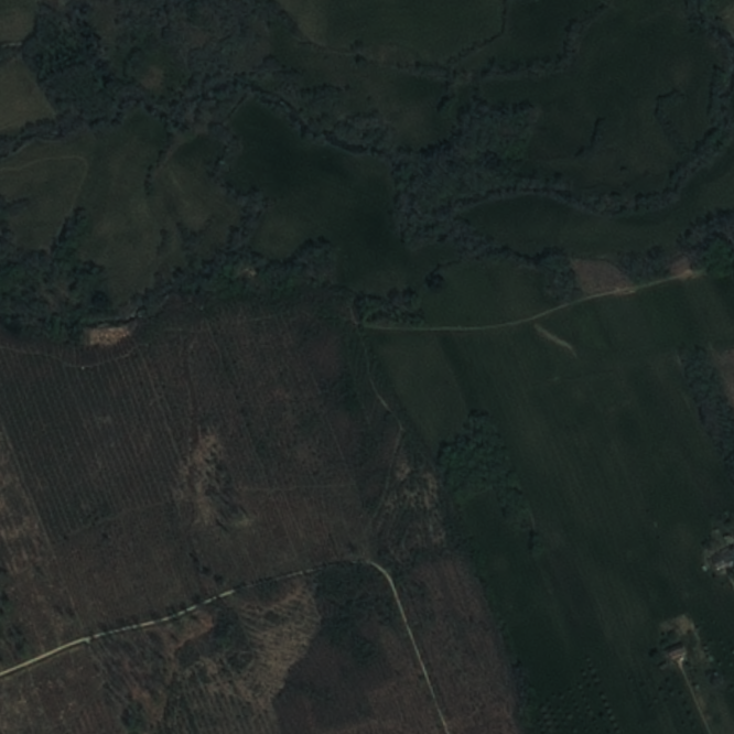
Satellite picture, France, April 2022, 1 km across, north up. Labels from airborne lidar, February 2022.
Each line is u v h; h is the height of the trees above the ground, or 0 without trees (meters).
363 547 0
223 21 14
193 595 0
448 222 25
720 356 0
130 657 33
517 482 21
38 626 0
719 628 0
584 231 0
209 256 0
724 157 23
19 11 0
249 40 19
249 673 0
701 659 0
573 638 0
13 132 0
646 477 0
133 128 0
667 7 0
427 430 0
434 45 0
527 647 0
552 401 0
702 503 0
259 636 0
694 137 0
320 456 0
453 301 0
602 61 0
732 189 0
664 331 0
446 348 0
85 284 20
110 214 0
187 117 15
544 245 0
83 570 0
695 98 0
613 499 0
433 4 0
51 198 0
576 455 0
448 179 29
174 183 0
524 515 22
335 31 0
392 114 0
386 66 0
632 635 0
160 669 29
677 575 0
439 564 0
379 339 0
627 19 0
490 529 0
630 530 0
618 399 0
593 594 0
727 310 0
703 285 0
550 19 0
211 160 0
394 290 0
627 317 0
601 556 0
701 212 0
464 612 0
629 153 0
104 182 0
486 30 0
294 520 0
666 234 0
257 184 0
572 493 0
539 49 0
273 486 6
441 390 0
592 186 0
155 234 0
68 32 0
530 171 0
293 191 0
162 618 0
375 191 0
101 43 19
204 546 0
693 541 0
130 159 0
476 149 30
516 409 0
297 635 0
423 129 0
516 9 0
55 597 0
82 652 0
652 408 0
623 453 0
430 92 0
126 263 0
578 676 0
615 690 0
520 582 0
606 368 0
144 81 0
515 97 0
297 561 0
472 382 0
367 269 0
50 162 0
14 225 0
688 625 0
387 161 14
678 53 0
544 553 15
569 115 0
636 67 0
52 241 0
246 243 18
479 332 0
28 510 0
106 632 0
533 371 0
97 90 22
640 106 0
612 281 0
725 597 0
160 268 0
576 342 0
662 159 0
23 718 0
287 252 0
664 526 0
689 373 11
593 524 0
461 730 0
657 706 0
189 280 23
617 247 0
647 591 0
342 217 0
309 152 0
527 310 0
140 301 14
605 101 0
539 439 0
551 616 0
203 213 0
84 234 11
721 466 0
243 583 0
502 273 0
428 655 14
